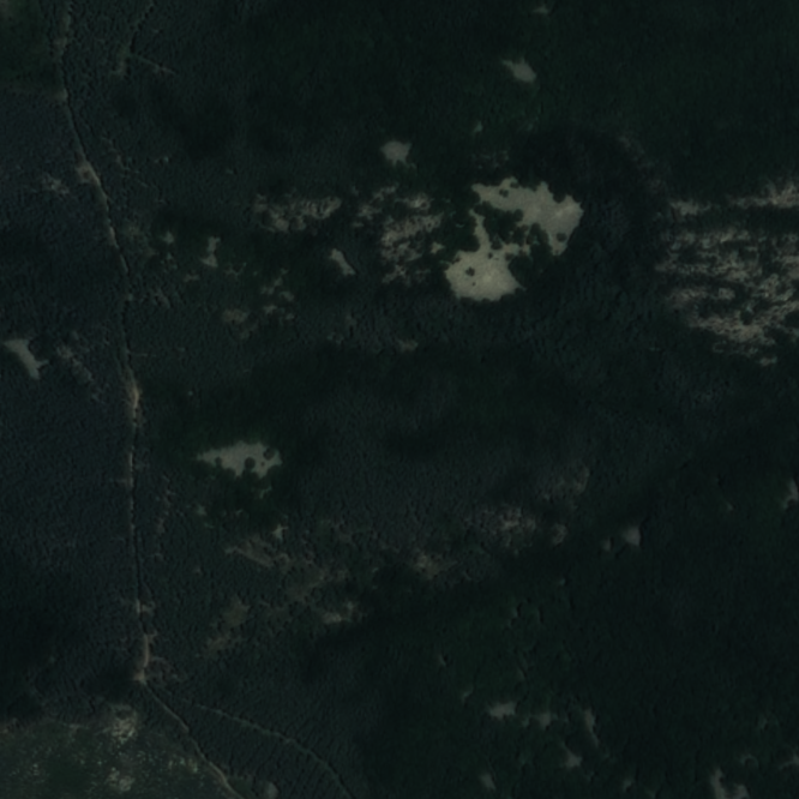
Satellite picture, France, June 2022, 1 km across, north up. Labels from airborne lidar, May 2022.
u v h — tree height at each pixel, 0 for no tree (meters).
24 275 14
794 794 11
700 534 16
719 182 14
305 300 13
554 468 17
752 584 21
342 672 20
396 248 10
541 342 23
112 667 13
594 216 10
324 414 24
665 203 6
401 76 19
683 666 18
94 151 13
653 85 14
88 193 14
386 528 22
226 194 18
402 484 21
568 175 20
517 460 16
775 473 19
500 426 18
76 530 14
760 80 22
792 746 5
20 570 15
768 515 19
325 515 16
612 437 26
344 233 22
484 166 14
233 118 21
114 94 19
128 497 12
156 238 7
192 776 0
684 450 34
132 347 19
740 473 24
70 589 16
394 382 17
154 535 14
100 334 8
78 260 12
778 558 20
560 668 20
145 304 12
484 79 13
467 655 19
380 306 18
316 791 15
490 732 16
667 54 21
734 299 11
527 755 16
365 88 19
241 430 10
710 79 15
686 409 25
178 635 18
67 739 0
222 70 24
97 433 17
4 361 19
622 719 18
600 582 18
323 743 18
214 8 23
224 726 18
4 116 14
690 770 17
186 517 12
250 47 16
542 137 16
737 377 23
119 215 12
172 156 13
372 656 19
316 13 28
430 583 11
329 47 21
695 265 8
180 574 19
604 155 21
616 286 25
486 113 9
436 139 13
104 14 18
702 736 19
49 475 15
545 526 11
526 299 17
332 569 9
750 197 8
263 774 17
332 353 21
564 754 14
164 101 18
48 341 13
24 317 11
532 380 26
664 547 16
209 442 9
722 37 22
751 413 22
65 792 0
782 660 20
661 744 18
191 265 15
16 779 0
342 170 15
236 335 18
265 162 16
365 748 14
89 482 16
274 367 19
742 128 12
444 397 15
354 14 20
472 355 23
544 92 13
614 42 21
